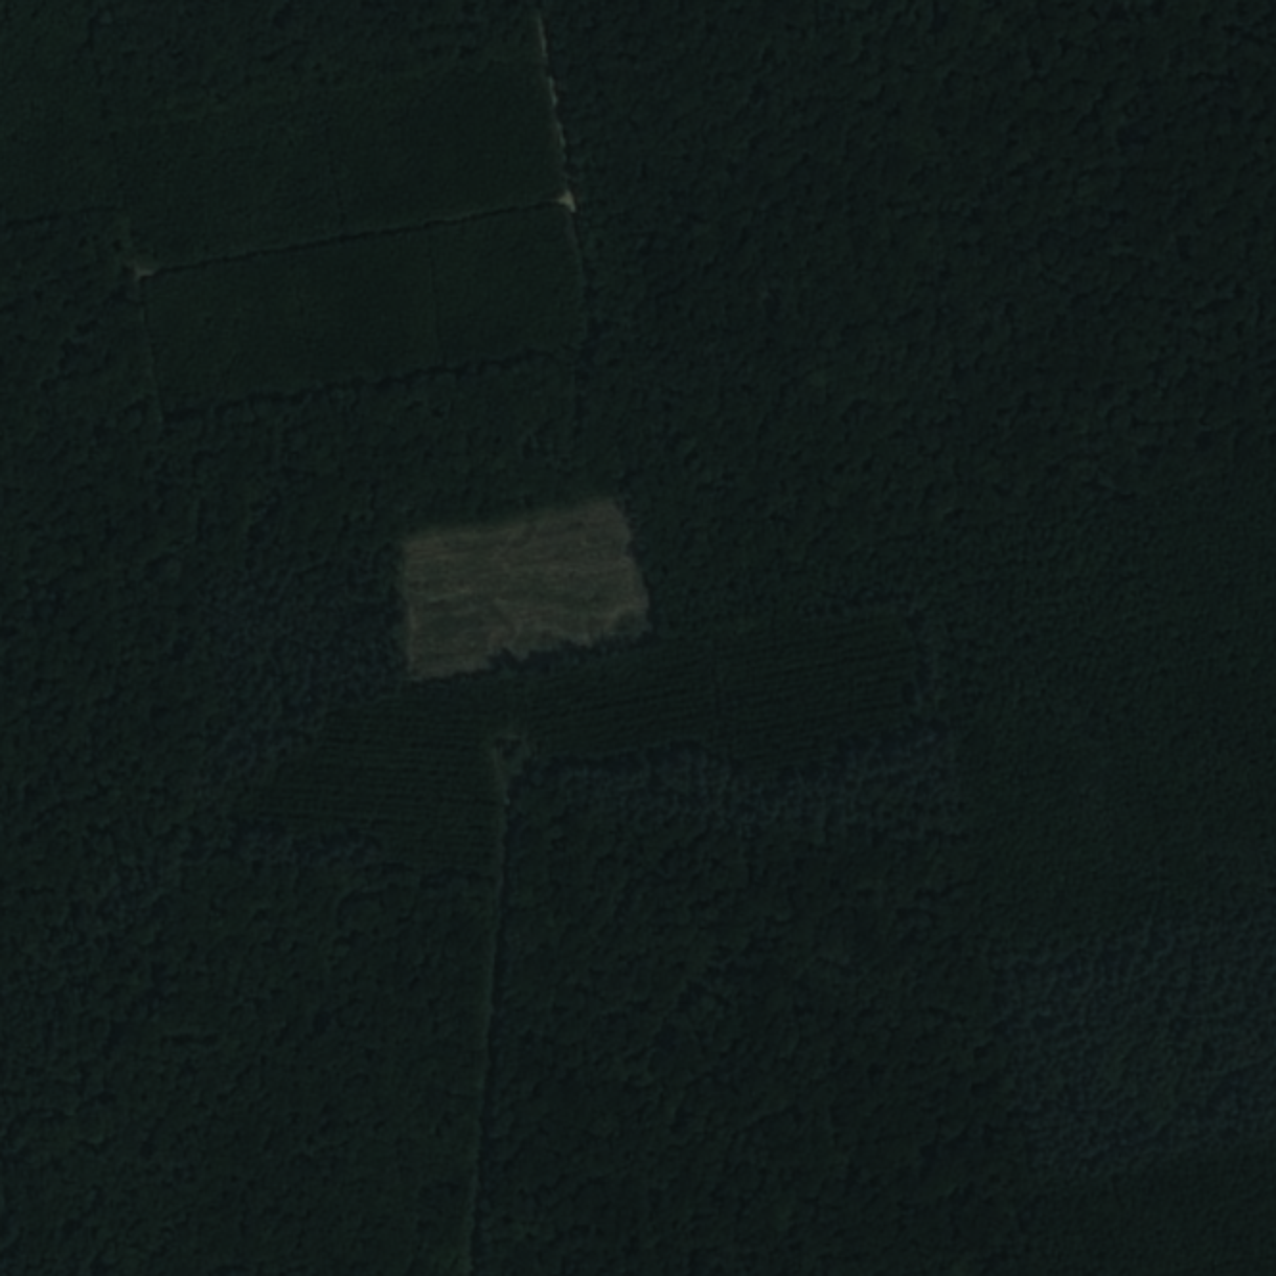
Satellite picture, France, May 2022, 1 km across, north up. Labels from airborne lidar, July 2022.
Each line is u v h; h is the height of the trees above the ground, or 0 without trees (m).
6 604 26
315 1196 22
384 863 6
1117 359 25
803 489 28
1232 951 28
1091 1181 21
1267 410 22
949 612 23
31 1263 19
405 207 12
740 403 21
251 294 12
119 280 19
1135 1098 25
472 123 14
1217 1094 25
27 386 26
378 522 29
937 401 25
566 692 11
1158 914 23
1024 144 23
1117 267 27
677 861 23
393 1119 26
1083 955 20
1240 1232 15
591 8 18
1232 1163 22
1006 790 20
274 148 12
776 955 27
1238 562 19
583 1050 22
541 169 12
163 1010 23
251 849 23
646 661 12
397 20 23
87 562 25
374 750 10
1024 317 21
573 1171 25
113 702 24
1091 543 20
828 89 24
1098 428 26
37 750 26
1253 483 20
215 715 23
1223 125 31
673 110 23
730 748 11
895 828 23
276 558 25
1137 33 23
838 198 25
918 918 26
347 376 12
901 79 26
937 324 25
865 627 11
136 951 19
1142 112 26
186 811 18
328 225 11
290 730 14
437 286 8
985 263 24
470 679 11
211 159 12
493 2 23
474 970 26
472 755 11
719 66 26
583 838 23
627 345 23
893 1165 24
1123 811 21
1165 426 24
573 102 23
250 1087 25
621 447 28
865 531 26
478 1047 24
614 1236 26
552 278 10
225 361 11
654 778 14
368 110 9
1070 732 25
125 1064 26
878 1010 26
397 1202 24
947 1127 27
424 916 27
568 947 27
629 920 23
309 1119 24
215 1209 22
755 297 24
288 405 25
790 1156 26
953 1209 24
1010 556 22
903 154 29
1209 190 27
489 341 12
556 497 24
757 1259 26
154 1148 29
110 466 28
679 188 27
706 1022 27
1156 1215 21
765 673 10
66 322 25
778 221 28
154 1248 15
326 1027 23
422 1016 23
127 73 22
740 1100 25
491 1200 25
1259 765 16
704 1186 22
